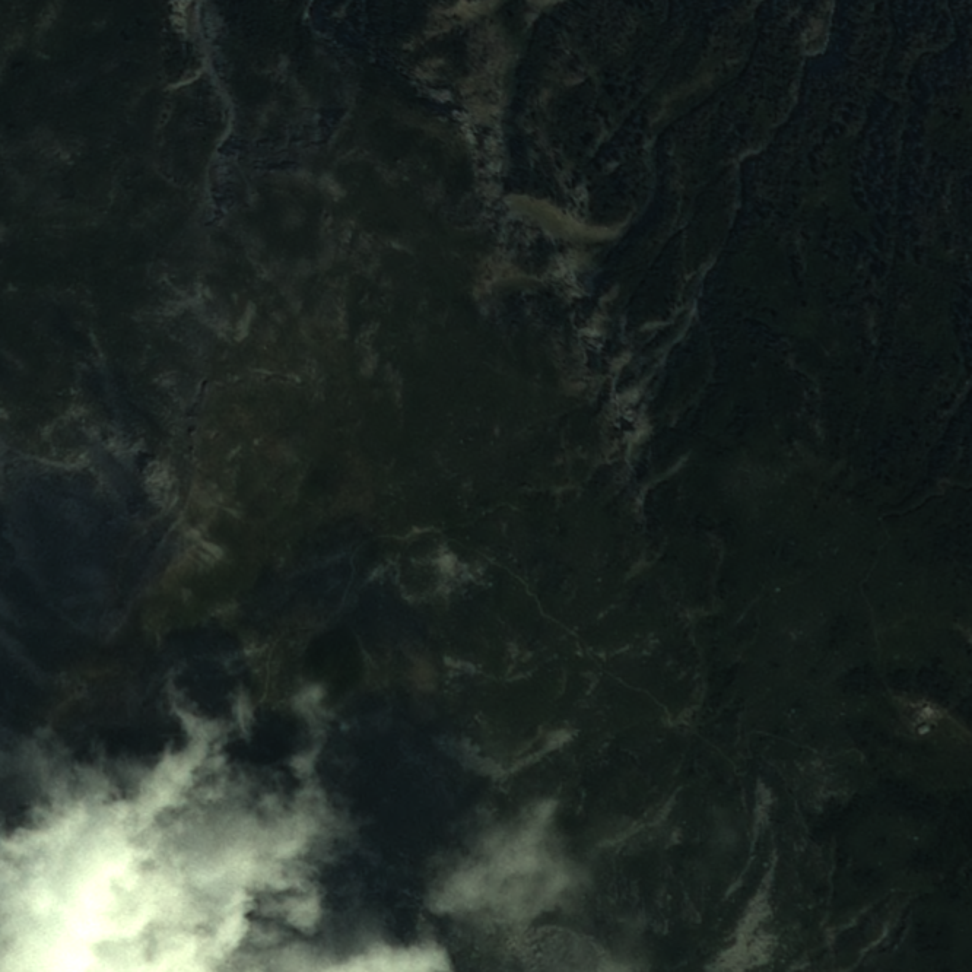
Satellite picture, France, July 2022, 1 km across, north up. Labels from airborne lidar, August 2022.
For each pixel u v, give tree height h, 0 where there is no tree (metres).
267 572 0
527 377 0
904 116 9
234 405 0
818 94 9
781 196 10
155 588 0
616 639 0
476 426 0
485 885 0
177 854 0
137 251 0
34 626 0
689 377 0
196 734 0
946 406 10
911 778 0
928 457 6
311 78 0
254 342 0
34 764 0
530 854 0
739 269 0
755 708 0
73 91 0
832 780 0
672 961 0
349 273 0
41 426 0
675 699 0
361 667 0
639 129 11
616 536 0
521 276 0
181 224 0
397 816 0
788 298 0
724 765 0
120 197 0
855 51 10
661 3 13
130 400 0
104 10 0
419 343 0
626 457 21
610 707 0
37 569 0
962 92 7
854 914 0
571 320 24
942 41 9
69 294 0
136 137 0
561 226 0
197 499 0
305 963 0
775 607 0
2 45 0
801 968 0
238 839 0
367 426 0
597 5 9
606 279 8
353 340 0
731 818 0
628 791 0
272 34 5
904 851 0
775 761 0
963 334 8
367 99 0
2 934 0
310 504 0
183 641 0
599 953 0
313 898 0
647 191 9
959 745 0
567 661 0
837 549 0
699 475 0
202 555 0
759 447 0
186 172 0
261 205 0
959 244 8
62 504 0
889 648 0
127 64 0
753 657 0
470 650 0
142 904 0
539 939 0
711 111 7
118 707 0
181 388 0
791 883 0
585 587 0
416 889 0
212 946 0
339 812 0
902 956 0
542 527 0
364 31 8
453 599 0
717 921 0
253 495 0
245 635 0
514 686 0
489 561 0
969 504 8
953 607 0
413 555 0
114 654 0
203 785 0
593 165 6
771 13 6
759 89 6
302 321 0
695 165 7
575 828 0
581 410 0
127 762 0
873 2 27
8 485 0
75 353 0
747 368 0
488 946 0
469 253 0
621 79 11
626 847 0
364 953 0
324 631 0
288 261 0
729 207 8
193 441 0
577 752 0
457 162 0
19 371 0
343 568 0
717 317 7
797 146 7
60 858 0
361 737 0
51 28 0
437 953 0
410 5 7
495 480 0
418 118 0
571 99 6
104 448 0
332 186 0
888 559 0
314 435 0
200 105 0
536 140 9
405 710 0
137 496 0
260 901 0
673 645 0
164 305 0
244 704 0
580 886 0
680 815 0
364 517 0
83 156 0
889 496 0
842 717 0
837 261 14
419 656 0
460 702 0
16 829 0
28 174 0
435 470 0
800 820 15
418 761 0
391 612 0
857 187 9
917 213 9
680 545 0
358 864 0
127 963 0
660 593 0
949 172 18
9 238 0
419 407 0
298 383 0
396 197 0
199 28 0
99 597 0
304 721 0
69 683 0
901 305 7
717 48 8
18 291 0
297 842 0
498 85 10
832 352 0
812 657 0
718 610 0
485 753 0
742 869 0
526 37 0
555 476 0
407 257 0
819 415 9
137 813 0
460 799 0
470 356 0
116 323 0
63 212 0
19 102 0
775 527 0
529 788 0
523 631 0
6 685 0
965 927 0
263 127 0
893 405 0
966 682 0
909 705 0
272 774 0
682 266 8
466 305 0
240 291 0
